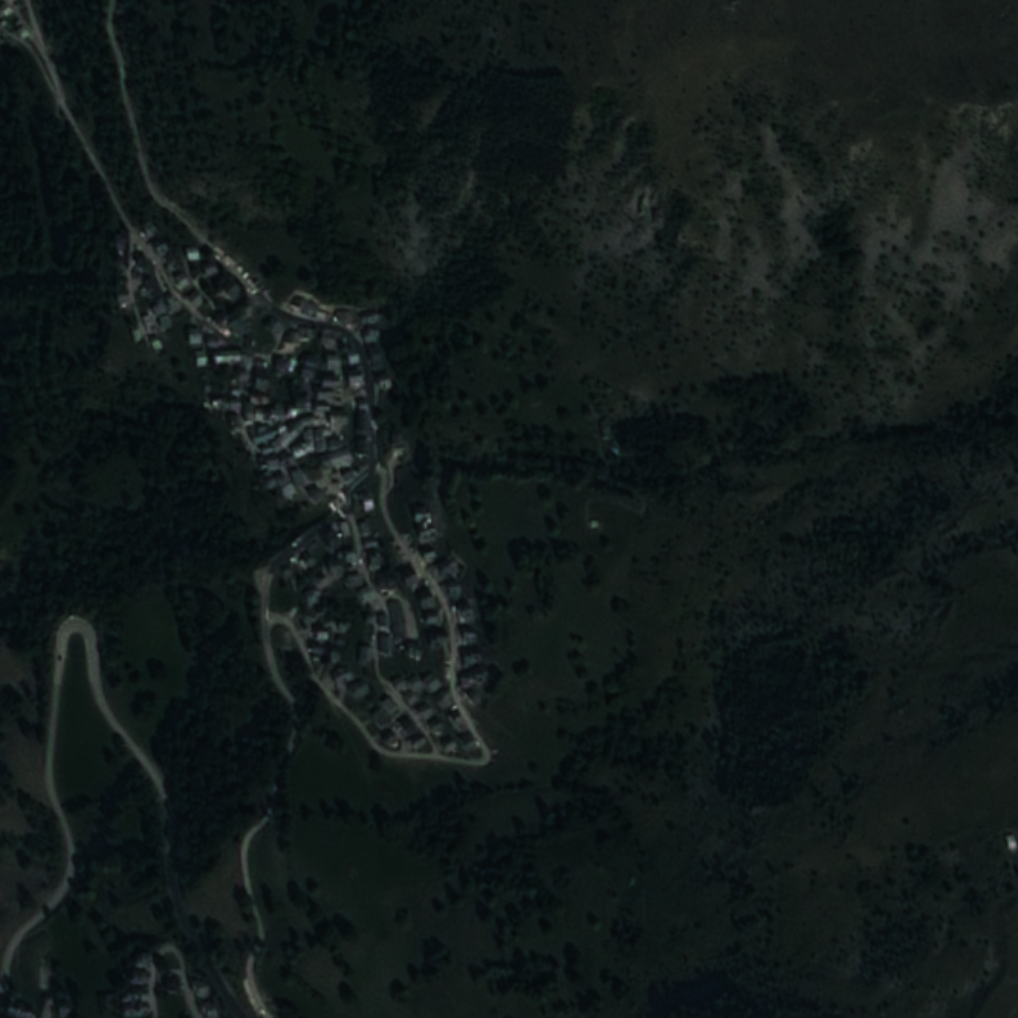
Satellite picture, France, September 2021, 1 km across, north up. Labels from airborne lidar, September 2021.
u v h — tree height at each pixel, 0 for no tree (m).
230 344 0
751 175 8
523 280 0
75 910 11
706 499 0
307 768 0
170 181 10
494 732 0
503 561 0
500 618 8
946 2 0
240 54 0
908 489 11
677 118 0
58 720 0
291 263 0
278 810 14
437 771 0
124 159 14
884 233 0
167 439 25
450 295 15
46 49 0
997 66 0
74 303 16
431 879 0
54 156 16
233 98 0
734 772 9
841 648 7
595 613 0
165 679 18
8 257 15
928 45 0
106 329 10
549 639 0
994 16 0
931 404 0
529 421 0
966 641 0
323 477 0
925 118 0
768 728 8
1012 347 0
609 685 14
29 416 19
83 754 0
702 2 0
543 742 0
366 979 0
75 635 0
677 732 0
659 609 0
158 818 13
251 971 0
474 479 6
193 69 8
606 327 7
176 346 0
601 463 10
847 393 9
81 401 14
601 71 0
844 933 0
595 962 0
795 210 0
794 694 9
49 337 19
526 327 17
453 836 17
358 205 0
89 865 18
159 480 19
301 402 0
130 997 0
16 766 0
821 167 8
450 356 16
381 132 8
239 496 0
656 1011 0
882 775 0
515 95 7
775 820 0
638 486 14
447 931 0
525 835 11
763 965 7
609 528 0
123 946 22
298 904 17
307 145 0
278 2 12
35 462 12
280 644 0
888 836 0
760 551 6
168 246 5
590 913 0
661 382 0
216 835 18
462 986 0
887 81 0
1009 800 0
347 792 0
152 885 20
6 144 19
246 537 15
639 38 0
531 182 8
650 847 0
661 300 7
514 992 12
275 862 0
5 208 20
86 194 17
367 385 0
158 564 12
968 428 12
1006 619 0
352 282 13
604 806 12
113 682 6
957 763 0
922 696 0
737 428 8
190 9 9
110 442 15
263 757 18
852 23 0
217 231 12
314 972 0
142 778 14
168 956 0
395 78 9
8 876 0
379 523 0
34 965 0
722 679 12
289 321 0
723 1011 13
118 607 15
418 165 10
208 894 0
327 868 0
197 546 24
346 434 0
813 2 0
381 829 19
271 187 10
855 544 11
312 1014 0
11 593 0
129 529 29
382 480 0
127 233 10
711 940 0
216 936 16
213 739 24
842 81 0
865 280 0
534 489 0
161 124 10
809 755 10
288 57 13
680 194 6
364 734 0
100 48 12
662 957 0
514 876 8
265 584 0
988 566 0
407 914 8
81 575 19
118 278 7
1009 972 0
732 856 0
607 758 20
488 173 11
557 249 7
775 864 0
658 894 0
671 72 0
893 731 0
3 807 16
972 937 0
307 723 15
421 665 0
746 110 7
